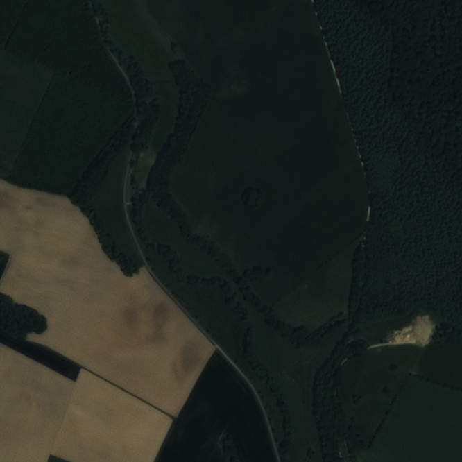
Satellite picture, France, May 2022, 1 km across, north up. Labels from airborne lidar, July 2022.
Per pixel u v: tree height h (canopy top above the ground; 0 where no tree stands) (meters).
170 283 0
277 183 0
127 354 0
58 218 0
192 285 25
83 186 24
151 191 16
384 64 20
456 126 26
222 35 0
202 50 0
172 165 13
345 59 23
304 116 0
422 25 29
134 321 0
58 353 0
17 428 0
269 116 0
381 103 19
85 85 6
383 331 0
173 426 0
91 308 0
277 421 0
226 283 19
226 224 0
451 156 24
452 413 0
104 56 11
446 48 31
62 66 10
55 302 0
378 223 23
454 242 23
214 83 0
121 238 0
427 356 0
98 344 0
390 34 16
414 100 31
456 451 0
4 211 0
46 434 0
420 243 22
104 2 0
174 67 24
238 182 0
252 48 0
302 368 0
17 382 0
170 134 0
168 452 0
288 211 0
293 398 0
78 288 0
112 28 0
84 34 11
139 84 22
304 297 0
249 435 0
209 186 0
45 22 10
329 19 24
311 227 0
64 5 9
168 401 0
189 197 0
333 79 0
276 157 0
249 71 0
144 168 0
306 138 0
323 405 12
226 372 0
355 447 10
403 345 0
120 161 0
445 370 0
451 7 27
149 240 19
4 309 24
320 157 0
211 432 0
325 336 7
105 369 0
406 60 31
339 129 0
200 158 0
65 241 0
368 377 0
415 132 14
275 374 0
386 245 22
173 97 0
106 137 6
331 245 0
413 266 24
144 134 25
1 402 0
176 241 0
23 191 0
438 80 25
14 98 0
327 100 0
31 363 0
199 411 0
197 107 12
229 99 0
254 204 17
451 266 25
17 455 0
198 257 0
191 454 0
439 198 22
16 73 0
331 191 0
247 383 0
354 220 0
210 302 0
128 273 16
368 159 25
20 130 0
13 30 9
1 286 0
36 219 0
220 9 0
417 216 22
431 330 0
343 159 0
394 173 26
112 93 9
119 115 6
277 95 0
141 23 0
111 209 0
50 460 0
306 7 0
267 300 0
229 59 0
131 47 0
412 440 0
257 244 0
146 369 0
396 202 22
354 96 22
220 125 0
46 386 0
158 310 0
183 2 0
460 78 32
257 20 0
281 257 0
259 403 0
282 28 0
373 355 0
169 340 0
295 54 0
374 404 0
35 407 0
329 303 0
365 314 25
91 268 0
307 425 0
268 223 0
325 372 15
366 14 20
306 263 0
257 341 0
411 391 0
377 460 0
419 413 0
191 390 0
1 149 0
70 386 0
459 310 24
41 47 11
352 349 22
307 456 6
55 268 0
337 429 16
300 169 0
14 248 0
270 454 0
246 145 0
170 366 0
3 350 0
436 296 20
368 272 20
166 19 0
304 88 0
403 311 23
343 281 0
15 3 9
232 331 0
